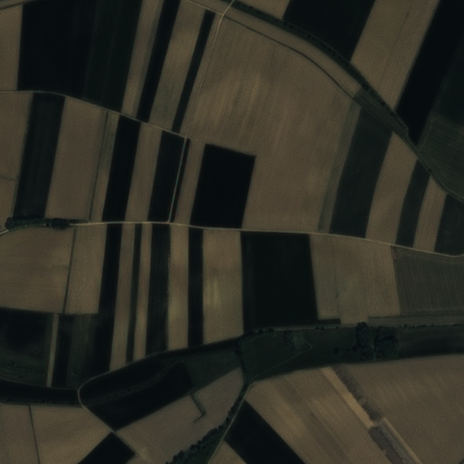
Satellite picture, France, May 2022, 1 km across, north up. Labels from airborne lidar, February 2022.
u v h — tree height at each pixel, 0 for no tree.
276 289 0
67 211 0
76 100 0
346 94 0
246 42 0
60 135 0
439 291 0
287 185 0
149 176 0
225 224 0
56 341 0
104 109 0
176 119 0
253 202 0
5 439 0
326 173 0
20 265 0
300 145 0
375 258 0
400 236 0
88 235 0
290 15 0
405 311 0
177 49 0
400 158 0
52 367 0
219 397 0
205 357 0
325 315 0
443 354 0
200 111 0
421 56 0
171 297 0
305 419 0
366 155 0
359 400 0
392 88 0
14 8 0
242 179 0
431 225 0
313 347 0
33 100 0
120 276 0
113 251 0
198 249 0
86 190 0
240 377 0
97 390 0
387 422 0
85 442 0
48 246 0
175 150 0
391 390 0
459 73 0
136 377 0
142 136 0
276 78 0
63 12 0
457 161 0
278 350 0
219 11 0
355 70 0
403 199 0
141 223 0
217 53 0
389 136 0
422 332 0
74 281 0
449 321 0
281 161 0
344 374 0
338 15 0
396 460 0
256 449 0
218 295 0
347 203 0
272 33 0
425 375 0
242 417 0
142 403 0
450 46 0
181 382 0
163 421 0
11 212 0
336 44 0
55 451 0
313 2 0
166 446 0
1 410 0
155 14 0
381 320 0
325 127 0
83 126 0
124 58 0
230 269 0
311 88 0
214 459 0
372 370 0
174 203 0
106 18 0
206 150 0
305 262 0
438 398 0
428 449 0
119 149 0
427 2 0
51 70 0
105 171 0
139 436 0
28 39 0
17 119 0
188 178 0
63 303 0
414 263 0
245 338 15
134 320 0
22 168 0
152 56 0
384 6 0
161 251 0
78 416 0
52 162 0
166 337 0
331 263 0
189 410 0
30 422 0
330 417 0
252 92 0
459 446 0
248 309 0
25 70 0
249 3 0
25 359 0
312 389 0
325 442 0
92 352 0
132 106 0
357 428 0
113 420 0
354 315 0
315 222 0
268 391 0
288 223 0
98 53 0
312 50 0
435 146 0
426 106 0
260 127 0
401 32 0
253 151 0
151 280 0
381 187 0
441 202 0
